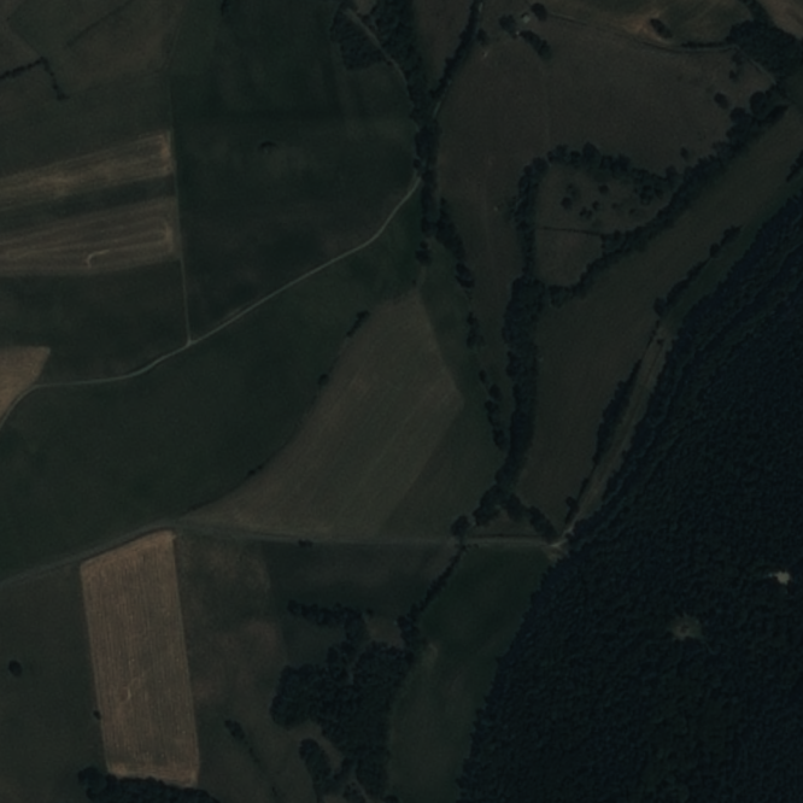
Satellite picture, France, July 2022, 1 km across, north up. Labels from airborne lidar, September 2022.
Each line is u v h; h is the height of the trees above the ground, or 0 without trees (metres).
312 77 0
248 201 0
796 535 14
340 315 0
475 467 0
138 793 14
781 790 29
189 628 0
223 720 0
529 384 27
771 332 18
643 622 20
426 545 0
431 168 8
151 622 0
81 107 0
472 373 0
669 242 0
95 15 0
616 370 0
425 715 0
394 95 0
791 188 0
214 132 0
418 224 0
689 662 23
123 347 0
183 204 0
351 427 0
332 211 0
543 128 0
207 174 0
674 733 22
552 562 0
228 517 0
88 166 0
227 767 0
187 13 0
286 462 0
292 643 0
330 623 19
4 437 0
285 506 0
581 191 0
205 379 0
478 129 0
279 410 0
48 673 0
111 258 0
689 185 20
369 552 0
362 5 0
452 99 0
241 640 0
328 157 0
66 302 0
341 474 0
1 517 0
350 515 0
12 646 0
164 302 0
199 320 0
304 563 0
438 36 0
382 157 0
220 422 0
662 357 0
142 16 0
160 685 0
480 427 0
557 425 0
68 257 0
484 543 0
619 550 19
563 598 19
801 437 22
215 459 0
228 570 0
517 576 0
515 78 0
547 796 19
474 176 0
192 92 0
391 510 0
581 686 18
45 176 0
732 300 20
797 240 23
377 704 20
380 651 23
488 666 0
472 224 0
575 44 0
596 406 0
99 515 0
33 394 0
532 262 10
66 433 0
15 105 0
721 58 0
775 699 28
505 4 0
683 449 15
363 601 0
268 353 0
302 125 0
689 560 17
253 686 0
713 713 24
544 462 0
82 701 0
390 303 0
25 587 0
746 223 0
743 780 31
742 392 19
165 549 0
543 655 20
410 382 0
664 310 20
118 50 0
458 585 0
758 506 15
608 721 20
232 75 0
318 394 0
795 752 31
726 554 22
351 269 0
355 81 0
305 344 0
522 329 31
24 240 0
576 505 17
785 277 20
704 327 24
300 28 0
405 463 0
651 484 16
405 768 0
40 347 0
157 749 0
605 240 12
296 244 0
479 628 0
